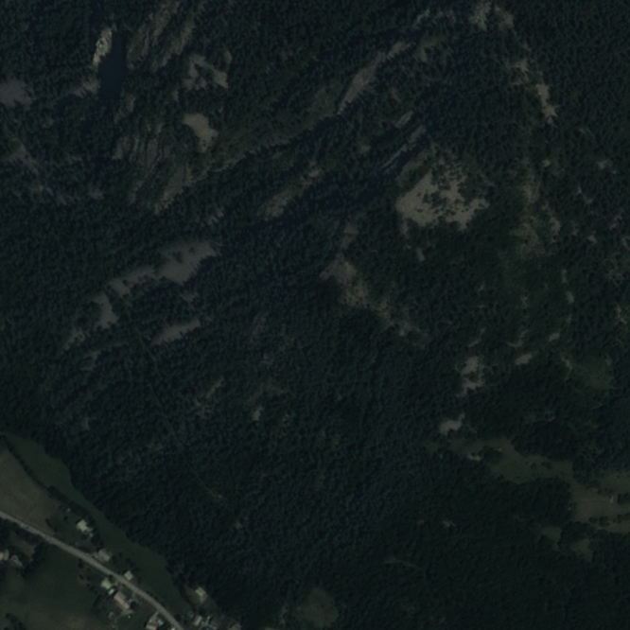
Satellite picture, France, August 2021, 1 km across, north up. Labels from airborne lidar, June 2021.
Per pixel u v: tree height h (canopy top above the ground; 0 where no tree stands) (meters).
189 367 25
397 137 22
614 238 29
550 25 29
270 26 14
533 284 6
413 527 19
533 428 9
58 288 18
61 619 0
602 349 7
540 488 15
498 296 18
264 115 9
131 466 10
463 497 17
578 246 18
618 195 28
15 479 0
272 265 22
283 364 11
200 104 25
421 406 12
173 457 13
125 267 22
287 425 14
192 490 14
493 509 10
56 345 9
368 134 22
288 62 11
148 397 31
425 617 13
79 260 7
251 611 9
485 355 10
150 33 8
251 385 7
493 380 7
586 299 10
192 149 10
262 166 9
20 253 25
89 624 0
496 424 12
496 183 8
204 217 9
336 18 30
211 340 10
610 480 0
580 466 7
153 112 6
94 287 15
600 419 17
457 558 20
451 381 13
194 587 20
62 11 31
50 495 5
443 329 22
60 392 29
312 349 27
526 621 22
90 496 18
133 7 9
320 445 17
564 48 35
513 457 0
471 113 25
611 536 9
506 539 17
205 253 0
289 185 5
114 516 14
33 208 26
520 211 6
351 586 16
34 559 11
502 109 26
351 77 18
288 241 16
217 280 10
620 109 27
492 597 24
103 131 33
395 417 23
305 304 17
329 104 0
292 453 9
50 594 0
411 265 11
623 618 26
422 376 23
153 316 29
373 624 17
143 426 12
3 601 0
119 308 15
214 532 19
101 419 10
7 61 24
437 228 7
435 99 21
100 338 7
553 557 14
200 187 8
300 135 7
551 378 16
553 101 13
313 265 23
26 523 0
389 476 26
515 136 20
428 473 9
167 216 18
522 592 21
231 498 12
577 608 22
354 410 17
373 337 24
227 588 22
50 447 18
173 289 16
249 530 6
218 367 26
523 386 24
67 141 10
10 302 12
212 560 19
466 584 21
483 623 24
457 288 7
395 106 22
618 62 25
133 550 0
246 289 7
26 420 9
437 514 18
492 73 21
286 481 13
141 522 13
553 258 6
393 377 30
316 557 25
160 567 0
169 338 0
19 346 15
